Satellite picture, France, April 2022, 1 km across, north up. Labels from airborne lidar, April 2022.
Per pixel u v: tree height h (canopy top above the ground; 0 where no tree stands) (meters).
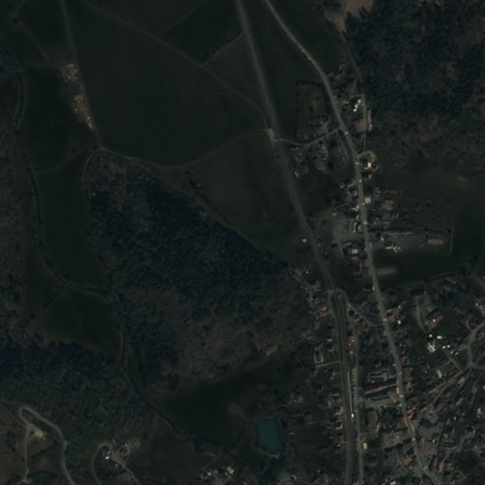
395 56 15
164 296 14
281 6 0
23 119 0
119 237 15
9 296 9
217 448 22
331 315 0
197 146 0
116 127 0
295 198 0
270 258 21
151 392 16
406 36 24
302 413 9
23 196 0
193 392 0
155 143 0
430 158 17
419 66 24
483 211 0
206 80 0
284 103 0
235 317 19
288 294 18
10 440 11
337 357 0
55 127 0
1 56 19
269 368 0
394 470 0
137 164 0
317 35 0
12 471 0
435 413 0
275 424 0
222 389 0
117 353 0
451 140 18
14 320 9
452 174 7
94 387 8
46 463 0
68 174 0
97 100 0
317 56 0
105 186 21
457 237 0
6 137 9
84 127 0
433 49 22
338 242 0
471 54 28
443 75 12
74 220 0
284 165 0
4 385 17
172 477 0
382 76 17
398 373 0
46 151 0
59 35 0
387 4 18
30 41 0
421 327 0
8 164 20
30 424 0
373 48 16
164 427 0
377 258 0
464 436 0
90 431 10
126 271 13
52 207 0
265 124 0
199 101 0
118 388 27
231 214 0
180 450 0
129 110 0
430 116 23
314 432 0
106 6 0
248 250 28
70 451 12
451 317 0
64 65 0
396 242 0
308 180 0
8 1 0
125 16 0
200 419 0
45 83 0
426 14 24
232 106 0
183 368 16
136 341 26
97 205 14
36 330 0
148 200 13
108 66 0
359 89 8
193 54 0
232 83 0
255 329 12
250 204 0
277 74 0
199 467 0
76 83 0
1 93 0
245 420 0
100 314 0
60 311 0
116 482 0
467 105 20
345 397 0
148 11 0
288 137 0
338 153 0
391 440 0
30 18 0
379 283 0
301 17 0
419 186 0
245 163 0
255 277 18
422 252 0
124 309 28
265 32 0
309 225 14
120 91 0
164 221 12
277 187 0
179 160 0
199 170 0
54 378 20
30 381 8
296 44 0
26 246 0
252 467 11
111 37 0
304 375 0
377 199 0
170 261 17
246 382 0
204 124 0
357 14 0
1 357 7
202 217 14
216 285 24
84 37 0
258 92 0
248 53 0
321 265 0
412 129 22
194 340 8
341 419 0
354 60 8
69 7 0
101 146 0
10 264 14
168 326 18
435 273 0
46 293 0
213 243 22
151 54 0
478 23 19
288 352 0
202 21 0
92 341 0
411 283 0
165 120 0
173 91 0
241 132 0
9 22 0
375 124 0
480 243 0
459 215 0
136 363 0
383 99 12
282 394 0
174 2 0
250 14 0
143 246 11
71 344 0
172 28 0
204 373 19
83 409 7
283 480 0
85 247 0
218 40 0
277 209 0
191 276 11
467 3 15
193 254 16
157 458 0
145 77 0
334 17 0
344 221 0
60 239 0
